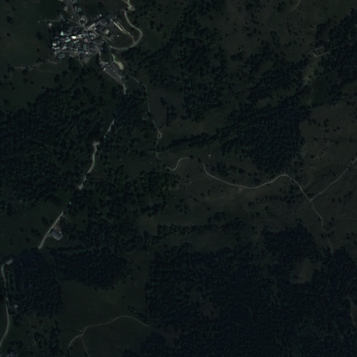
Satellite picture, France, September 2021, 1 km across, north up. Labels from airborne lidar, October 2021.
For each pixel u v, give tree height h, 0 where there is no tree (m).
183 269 17
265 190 0
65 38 0
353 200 0
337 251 0
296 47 0
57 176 17
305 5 0
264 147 19
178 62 8
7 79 13
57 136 12
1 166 22
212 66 0
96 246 13
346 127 0
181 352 6
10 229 0
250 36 10
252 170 0
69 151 14
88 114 19
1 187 14
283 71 17
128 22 0
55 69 0
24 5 0
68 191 11
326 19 0
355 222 0
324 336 8
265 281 15
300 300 16
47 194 12
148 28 0
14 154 27
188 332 10
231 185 0
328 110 0
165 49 9
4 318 0
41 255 18
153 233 0
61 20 0
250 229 0
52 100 18
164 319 9
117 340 0
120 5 0
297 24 0
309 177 0
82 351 0
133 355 11
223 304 14
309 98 0
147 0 14
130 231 12
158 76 12
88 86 0
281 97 9
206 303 0
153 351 6
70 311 0
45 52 0
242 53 10
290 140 19
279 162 20
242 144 15
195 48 21
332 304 24
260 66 9
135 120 10
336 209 0
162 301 9
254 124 15
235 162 0
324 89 0
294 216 0
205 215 0
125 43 0
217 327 6
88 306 0
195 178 0
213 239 0
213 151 0
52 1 0
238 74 9
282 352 22
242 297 12
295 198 7
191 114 14
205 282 11
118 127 13
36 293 17
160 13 8
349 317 13
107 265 18
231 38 0
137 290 0
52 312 18
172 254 5
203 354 15
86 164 9
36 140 22
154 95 0
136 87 0
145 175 10
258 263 0
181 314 8
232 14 0
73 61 8
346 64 20
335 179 0
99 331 0
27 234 0
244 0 0
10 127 16
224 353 16
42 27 0
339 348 17
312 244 14
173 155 0
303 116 15
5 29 0
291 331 17
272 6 0
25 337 0
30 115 13
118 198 10
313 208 0
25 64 0
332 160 0
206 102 12
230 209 0
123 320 0
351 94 0
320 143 0
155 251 0
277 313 18
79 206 12
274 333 17
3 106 0
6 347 0
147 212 12
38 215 0
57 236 0
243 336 14
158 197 10
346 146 0
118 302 0
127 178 12
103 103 15
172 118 12
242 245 11
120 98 9
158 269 23
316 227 0
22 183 11
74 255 7
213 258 15
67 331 0
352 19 9
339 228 0
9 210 14
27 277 19
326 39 0
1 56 0
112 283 8
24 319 0
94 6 0
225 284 15
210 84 6
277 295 0
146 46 0
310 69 0
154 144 9
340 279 10
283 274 13
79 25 0
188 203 0
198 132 0
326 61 11
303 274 0
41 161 15
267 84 14
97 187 11
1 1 0
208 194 7
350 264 23
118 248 15
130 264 7
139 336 0
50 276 16
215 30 10
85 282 12
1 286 9
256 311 16
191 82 11
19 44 0
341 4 0
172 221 0
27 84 13
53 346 12
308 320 8
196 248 0
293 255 18
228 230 16
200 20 0
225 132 12
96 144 0
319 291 17
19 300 15
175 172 0
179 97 0
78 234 12
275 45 14
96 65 0
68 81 0
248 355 15
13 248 0
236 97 10
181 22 9
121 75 0
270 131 24
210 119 0
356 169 0
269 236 9
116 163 0
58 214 0
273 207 0
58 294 15
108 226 13
